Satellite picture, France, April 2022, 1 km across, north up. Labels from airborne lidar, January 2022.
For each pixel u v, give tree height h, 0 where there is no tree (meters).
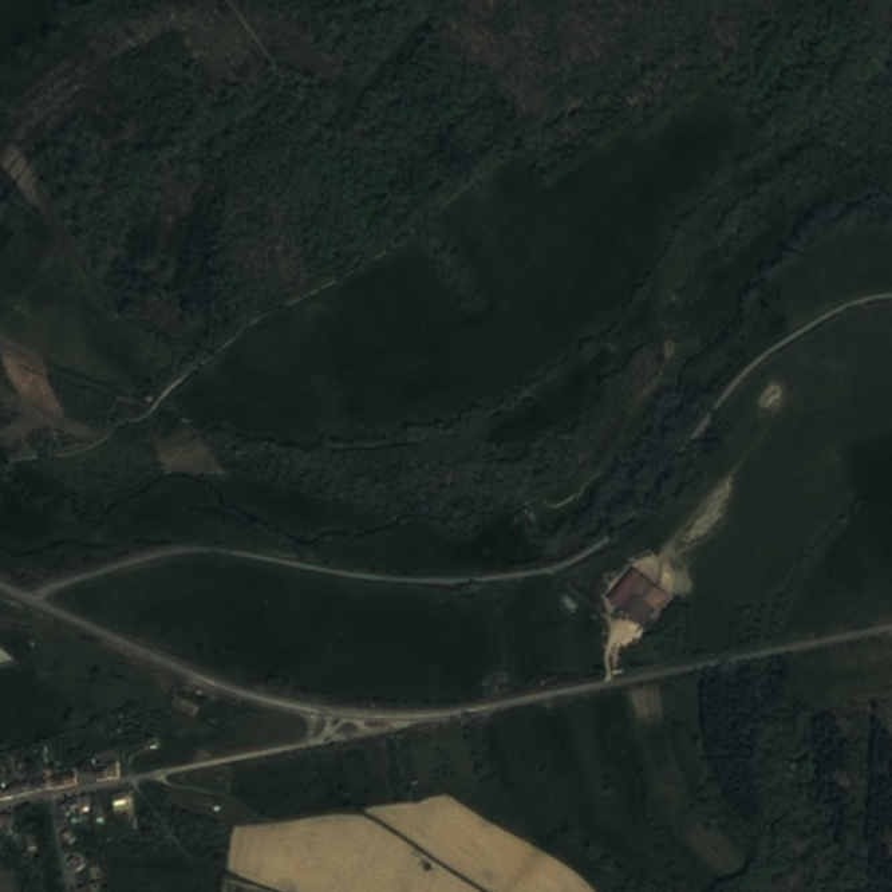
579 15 21
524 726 0
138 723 8
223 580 0
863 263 0
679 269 0
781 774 23
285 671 0
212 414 0
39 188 0
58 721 0
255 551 0
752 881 22
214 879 0
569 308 0
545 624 0
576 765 0
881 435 0
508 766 0
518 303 0
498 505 22
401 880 0
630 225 0
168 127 13
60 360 0
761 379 0
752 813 15
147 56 8
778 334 0
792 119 23
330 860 0
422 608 0
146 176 25
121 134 7
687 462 9
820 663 0
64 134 14
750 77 24
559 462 6
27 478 0
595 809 0
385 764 0
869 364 0
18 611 0
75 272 0
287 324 0
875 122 21
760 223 19
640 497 7
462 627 0
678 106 25
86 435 0
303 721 0
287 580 0
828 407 0
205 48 0
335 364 0
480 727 13
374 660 0
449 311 0
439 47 12
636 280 0
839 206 22
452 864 0
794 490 0
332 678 0
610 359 0
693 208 0
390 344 0
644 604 0
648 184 0
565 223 0
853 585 0
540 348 0
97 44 0
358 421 0
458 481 21
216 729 0
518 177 0
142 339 0
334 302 0
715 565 0
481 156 17
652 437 10
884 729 15
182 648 0
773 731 22
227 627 0
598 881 0
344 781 0
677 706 0
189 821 11
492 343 0
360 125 20
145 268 17
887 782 16
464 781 0
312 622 0
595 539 8
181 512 0
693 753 0
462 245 0
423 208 20
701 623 0
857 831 9
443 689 0
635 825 0
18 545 0
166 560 0
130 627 0
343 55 25
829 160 28
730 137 0
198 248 9
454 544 0
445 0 21
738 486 0
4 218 19
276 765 0
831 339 0
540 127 20
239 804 0
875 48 26
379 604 0
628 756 0
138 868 0
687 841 0
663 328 0
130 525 0
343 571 0
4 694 0
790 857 23
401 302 0
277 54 6
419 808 0
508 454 11
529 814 0
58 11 9
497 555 0
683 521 0
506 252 0
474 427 23
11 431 0
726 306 0
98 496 0
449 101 20
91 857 7
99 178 24
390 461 7
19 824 6
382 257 0
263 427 0
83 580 0
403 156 22
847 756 17
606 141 19
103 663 0
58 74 0
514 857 0
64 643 0
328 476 16
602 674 9
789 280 0
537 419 0
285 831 0
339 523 0
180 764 0
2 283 0
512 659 0
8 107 22
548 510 0
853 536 0
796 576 0
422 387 0
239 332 13
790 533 0
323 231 21
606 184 0
